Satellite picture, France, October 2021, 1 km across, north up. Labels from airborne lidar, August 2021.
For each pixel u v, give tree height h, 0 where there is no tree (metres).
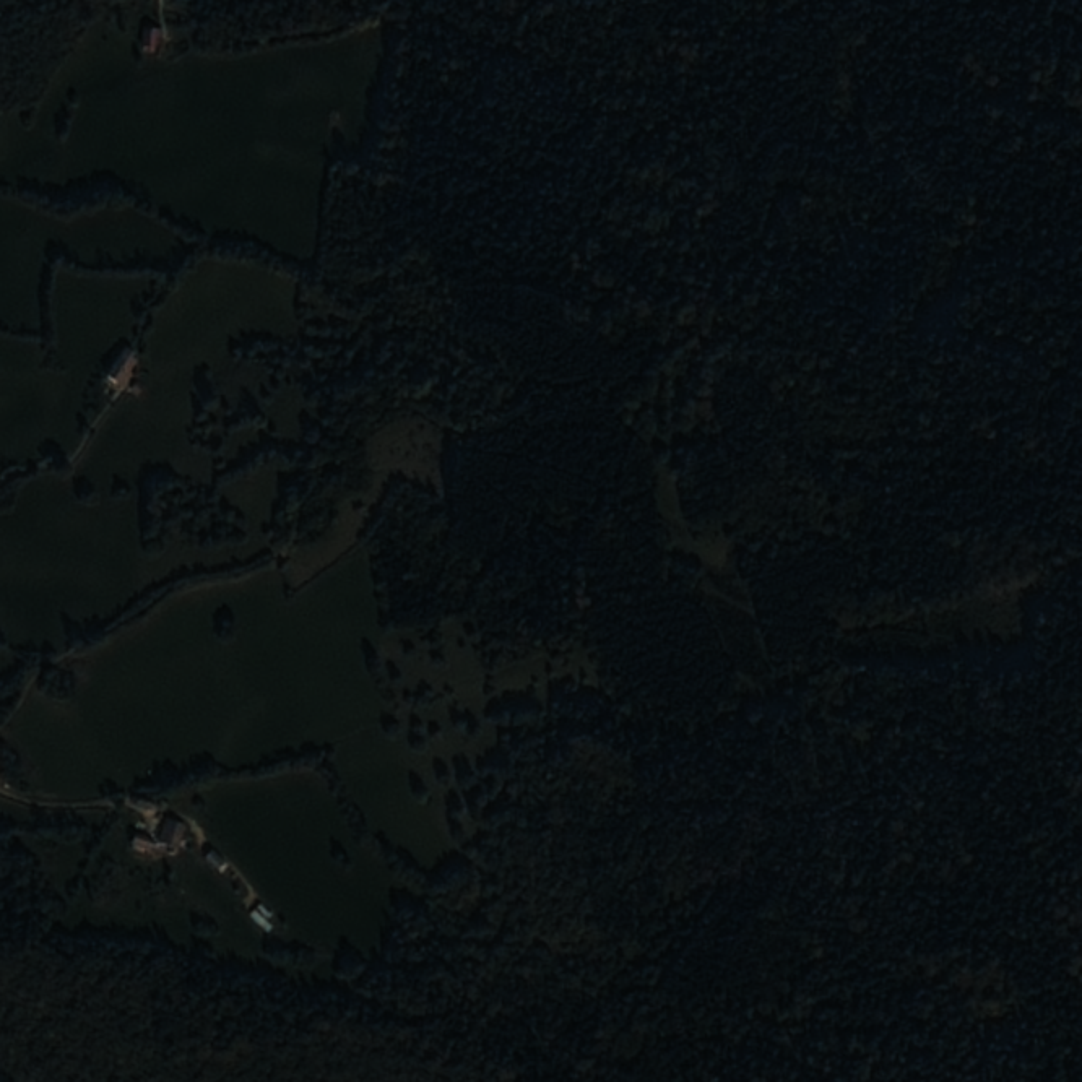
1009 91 11
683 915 6
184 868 0
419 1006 20
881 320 27
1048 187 23
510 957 14
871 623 22
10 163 0
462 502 21
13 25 19
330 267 8
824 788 25
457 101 15
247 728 0
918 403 11
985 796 24
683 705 22
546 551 20
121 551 0
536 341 24
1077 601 34
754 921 20
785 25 23
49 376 0
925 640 7
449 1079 10
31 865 14
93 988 9
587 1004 18
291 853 0
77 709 0
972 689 19
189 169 0
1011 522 23
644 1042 17
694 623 20
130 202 12
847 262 28
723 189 24
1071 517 21
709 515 17
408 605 13
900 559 20
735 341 17
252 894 0
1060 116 12
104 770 0
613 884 14
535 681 6
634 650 19
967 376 26
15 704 7
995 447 11
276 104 0
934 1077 23
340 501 7
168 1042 14
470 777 15
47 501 0
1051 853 11
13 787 7
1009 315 28
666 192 16
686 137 23
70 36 11
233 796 0
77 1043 14
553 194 24
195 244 9
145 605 5
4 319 0
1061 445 32
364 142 0
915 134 25
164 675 0
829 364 17
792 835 22
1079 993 23
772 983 23
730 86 14
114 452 0
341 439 14
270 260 9
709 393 20
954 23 26
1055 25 19
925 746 6
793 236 10
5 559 0
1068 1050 18
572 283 13
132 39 0
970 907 20
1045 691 27
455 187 29
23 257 0
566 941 5
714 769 23
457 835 17
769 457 18
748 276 18
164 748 0
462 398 14
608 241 25
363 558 0
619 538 20
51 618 0
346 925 0
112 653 0
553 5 18
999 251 7
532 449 7
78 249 0
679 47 19
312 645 0
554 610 11
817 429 8
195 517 10
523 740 15
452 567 16
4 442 0
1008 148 26
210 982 17
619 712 8
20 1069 18
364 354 9
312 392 12
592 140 27
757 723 6
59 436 0
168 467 0
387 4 15
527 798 20
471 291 10
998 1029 7
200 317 0
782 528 18
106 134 0
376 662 14
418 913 14
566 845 13
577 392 15
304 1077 17
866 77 6
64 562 0
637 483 19
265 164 0
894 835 23
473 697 0
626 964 6
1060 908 26
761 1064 21
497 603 19
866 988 17
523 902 12
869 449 10
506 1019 13
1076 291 10
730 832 24
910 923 21
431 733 6
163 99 0
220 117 0
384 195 14
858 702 21
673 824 24
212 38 18
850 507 18
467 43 13
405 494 10
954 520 22
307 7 15
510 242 27
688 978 15
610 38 17
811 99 16
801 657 19
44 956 17
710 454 20
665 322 16
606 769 22
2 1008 16
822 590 19
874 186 29
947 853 23
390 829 0
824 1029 14
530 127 23
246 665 0
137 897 0
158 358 0
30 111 13
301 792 0
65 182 0
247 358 8
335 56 0
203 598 0
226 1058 22
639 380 17
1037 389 32
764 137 21
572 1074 17
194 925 11
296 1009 13
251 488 0
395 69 22
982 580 23
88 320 0
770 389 24
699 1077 11
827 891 20
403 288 10
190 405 0
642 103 19
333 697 0
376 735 0
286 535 12
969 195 22
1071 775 25
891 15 26
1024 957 21
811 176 31
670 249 21
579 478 17
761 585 19
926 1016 23
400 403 11
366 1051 13
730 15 22
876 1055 26
